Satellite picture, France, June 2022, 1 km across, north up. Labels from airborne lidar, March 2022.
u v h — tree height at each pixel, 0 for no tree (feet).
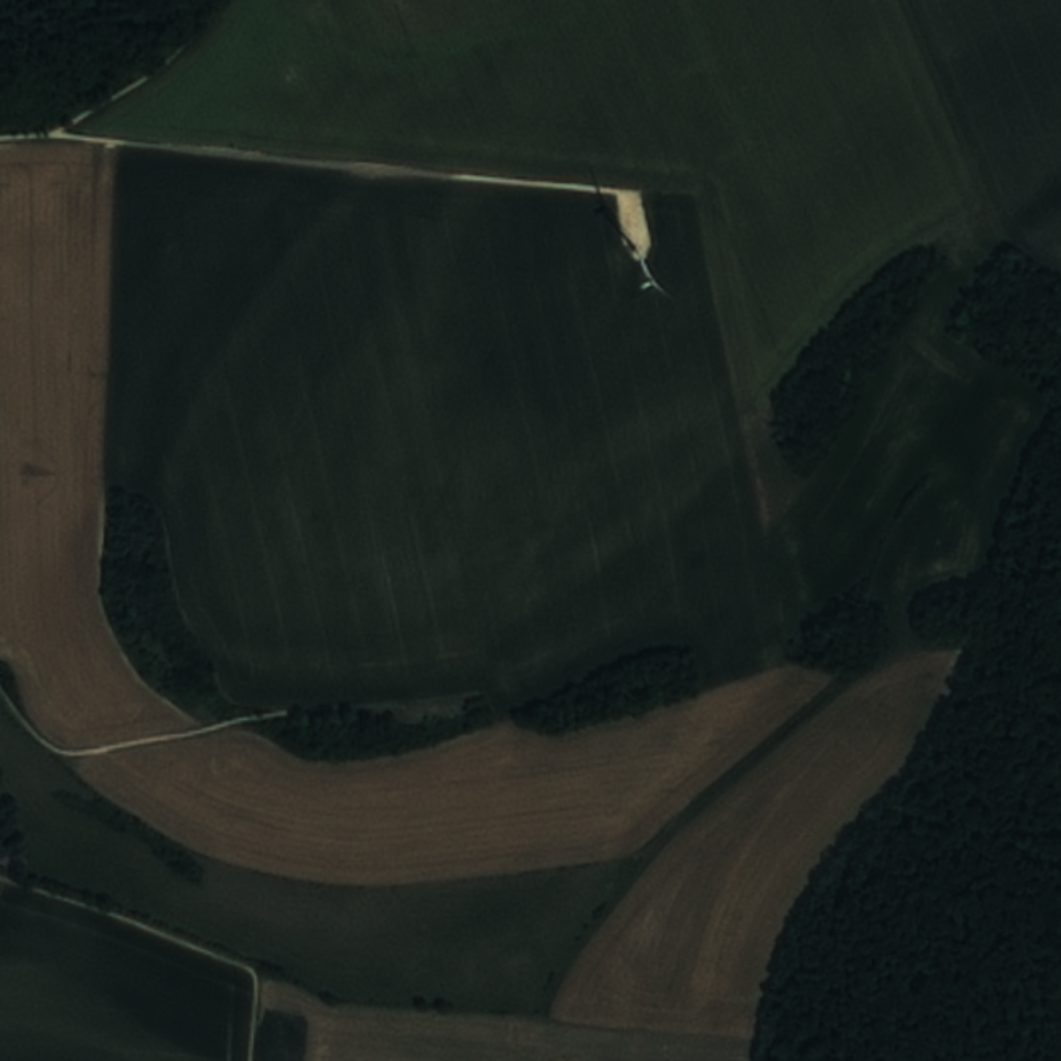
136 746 0
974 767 67
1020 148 0
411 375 0
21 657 0
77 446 0
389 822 0
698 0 0
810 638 50
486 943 0
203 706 0
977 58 0
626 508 0
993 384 0
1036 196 0
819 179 0
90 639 0
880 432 0
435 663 0
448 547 0
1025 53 0
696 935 0
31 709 0
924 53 0
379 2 0
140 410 0
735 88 0
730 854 0
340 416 0
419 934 0
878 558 0
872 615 60
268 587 0
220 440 0
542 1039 0
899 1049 62
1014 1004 66
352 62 0
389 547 0
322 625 0
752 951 0
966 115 0
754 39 0
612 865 0
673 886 0
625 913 0
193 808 0
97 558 0
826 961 72
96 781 0
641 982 0
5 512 0
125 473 0
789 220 0
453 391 0
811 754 0
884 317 69
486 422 0
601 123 0
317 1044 0
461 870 0
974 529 0
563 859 0
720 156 0
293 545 0
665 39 0
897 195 0
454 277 0
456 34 0
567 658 0
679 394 0
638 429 0
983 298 51
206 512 0
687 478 0
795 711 0
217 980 0
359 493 0
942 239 0
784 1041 70
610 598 0
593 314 0
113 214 0
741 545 0
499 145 0
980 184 0
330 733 34
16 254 0
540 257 0
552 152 0
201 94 0
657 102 0
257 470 0
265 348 0
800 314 0
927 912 77
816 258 0
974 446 0
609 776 0
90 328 0
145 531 51
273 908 0
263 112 0
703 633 0
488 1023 0
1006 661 49
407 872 0
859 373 60
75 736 0
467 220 0
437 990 0
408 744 26
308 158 0
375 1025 0
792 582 0
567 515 0
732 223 0
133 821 31
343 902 0
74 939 0
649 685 48
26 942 0
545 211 0
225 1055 0
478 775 0
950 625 63
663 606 0
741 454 0
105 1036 0
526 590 0
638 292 0
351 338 0
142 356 0
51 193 0
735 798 0
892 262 30
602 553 0
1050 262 0
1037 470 56
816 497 0
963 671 57
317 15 0
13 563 0
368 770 0
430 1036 0
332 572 0
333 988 0
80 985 0
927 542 0
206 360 0
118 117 0
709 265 0
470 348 0
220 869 0
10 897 0
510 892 0
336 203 0
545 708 25
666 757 0
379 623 0
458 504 0
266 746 0
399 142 0
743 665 0
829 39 0
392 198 0
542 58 0
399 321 0
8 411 0
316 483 0
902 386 0
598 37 0
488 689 0
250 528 0
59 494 0
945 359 0
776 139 0
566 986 0
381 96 0
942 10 0
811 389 67
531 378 0
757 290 0
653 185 0
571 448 0
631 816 0
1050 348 45
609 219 0
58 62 28
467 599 0
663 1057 0
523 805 0
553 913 0
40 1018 0
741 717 0
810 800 0
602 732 0
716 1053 0
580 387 0
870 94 0
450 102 0
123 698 0
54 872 0
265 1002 0
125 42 77
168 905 0
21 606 0
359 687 0
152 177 0
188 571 0
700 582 0
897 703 0
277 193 0
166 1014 0
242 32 0
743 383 0
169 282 0
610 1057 0
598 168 0
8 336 0
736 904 0
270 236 0
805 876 0
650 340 0
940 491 0
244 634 0
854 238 0
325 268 0
